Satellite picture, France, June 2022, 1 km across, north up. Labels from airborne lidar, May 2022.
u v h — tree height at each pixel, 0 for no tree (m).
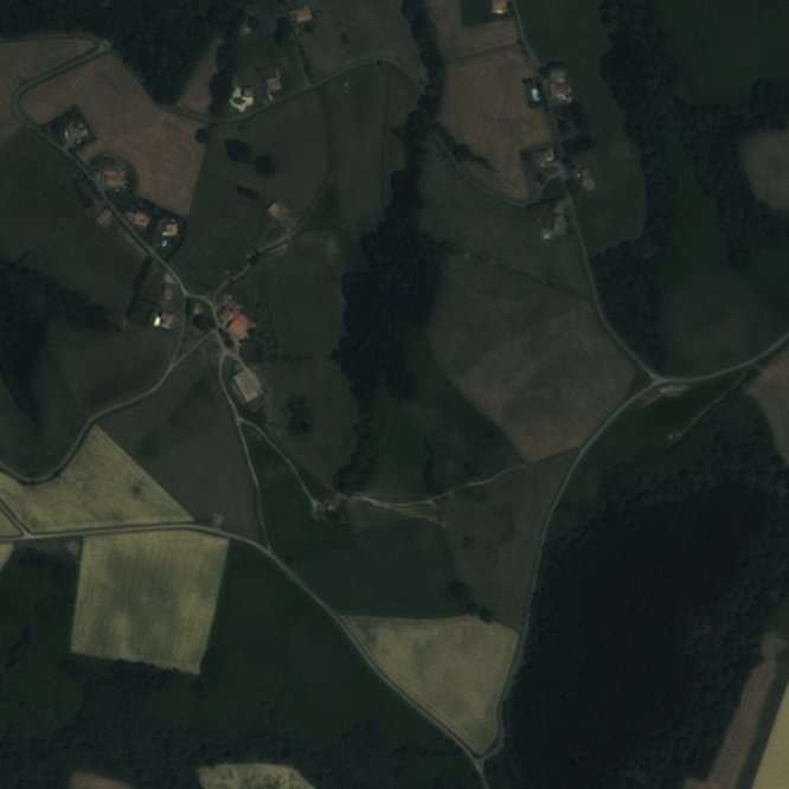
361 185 0
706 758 19
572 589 24
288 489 0
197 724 0
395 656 0
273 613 0
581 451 0
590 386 0
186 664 0
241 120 0
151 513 0
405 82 0
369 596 0
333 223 0
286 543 0
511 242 0
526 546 0
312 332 0
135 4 21
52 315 17
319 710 0
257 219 0
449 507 0
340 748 6
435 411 0
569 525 0
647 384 0
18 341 22
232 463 0
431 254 12
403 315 18
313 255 0
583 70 0
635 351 6
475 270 0
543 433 0
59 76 0
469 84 0
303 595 0
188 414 0
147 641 0
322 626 0
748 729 0
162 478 0
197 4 22
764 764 0
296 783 0
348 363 20
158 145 0
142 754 7
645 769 19
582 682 29
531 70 0
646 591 29
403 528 0
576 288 0
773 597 21
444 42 0
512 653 0
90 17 18
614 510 20
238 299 0
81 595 0
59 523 0
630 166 0
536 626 10
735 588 12
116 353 0
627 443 0
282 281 0
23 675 0
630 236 0
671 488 17
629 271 17
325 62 0
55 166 0
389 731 0
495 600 0
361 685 0
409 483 0
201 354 0
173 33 24
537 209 9
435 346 0
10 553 0
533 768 22
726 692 25
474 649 0
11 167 0
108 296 0
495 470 0
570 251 0
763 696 0
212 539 0
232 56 26
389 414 0
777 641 0
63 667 6
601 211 0
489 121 0
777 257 0
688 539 28
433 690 0
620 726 33
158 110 0
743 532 28
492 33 0
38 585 0
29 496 0
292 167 0
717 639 21
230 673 0
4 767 13
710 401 0
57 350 0
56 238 0
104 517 0
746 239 12
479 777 7
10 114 0
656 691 31
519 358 0
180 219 6
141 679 19
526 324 0
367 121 0
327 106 0
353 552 0
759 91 17
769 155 0
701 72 0
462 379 0
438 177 0
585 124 25
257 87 0
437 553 0
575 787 31
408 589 0
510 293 0
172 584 0
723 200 20
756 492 24
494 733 0
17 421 0
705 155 10
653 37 16
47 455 0
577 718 28
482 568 0
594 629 32
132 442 0
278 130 0
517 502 0
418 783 0
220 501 0
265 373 0
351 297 23
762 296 0
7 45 0
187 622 0
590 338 0
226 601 0
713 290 0
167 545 0
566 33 0
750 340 0
